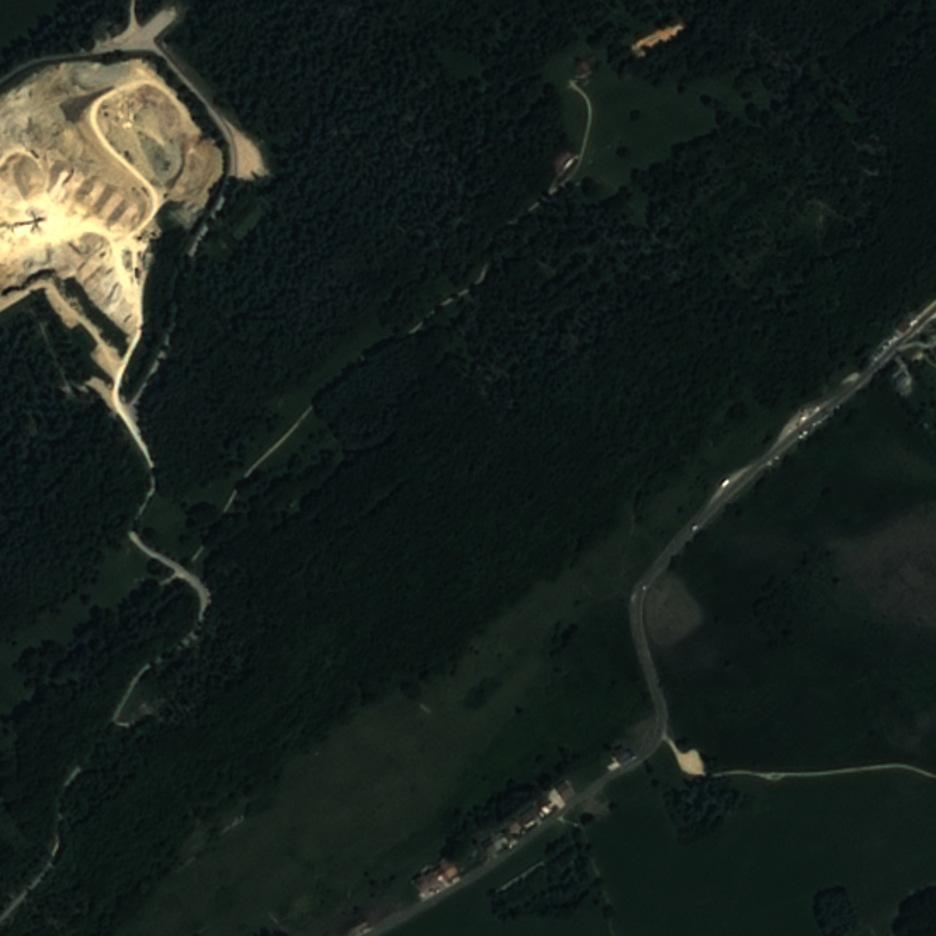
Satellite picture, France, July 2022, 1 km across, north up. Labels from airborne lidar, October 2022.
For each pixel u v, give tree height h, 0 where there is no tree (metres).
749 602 0
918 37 24
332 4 23
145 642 13
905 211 23
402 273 24
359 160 19
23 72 0
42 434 7
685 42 20
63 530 22
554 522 21
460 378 31
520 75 20
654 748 0
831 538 0
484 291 16
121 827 16
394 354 23
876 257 22
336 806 0
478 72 0
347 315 23
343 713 21
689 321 22
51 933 19
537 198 0
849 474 0
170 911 0
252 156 0
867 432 0
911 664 0
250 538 21
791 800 0
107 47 0
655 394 19
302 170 21
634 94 0
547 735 0
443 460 17
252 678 22
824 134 20
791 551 0
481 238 16
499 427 27
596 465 19
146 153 0
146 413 22
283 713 15
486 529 17
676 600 0
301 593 20
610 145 0
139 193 0
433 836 0
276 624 22
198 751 17
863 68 20
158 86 0
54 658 11
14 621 19
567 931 0
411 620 20
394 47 11
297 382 19
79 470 17
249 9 15
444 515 23
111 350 0
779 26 18
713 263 18
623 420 17
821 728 0
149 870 13
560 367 12
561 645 7
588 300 22
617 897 0
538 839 0
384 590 17
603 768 0
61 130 0
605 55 0
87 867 18
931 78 15
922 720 0
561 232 14
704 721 0
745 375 16
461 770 0
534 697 0
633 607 0
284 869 0
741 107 0
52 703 17
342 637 16
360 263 21
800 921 0
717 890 0
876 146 21
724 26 23
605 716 0
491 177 18
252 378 21
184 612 20
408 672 17
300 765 0
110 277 0
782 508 0
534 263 18
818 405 0
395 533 19
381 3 11
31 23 0
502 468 22
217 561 17
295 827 0
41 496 19
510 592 21
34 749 23
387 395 24
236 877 0
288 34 19
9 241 0
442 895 0
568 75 0
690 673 0
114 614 15
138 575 0
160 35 0
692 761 0
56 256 0
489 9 8
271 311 23
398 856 0
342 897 0
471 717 0
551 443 17
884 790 0
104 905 19
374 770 0
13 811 21
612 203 14
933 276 21
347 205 21
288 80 19
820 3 19
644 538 0
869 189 19
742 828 0
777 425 0
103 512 14
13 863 14
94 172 0
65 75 0
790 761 0
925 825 0
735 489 0
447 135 9
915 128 15
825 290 20
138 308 0
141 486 19
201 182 0
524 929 0
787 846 0
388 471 16
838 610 0
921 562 0
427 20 9
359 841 0
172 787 19
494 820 11
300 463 12
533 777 0
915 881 0
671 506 0
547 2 19
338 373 0
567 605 0
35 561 25
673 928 0
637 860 0
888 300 27
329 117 24
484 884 0
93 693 17
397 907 0
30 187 0
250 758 22
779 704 0
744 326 24
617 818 0
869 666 0
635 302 21
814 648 0
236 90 17
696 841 0
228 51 27
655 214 23
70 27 14
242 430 21
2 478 21
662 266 19
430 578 18
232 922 0
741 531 0
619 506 18
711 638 0
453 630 21
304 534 19
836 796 0
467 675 0
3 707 0
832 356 20
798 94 27
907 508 0
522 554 19
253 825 0
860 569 0
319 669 20
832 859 0
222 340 23
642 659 0
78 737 21
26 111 0
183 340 19
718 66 21
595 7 21
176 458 22
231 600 20
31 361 17
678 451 12
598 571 0
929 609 0
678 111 0
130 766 18
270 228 19
